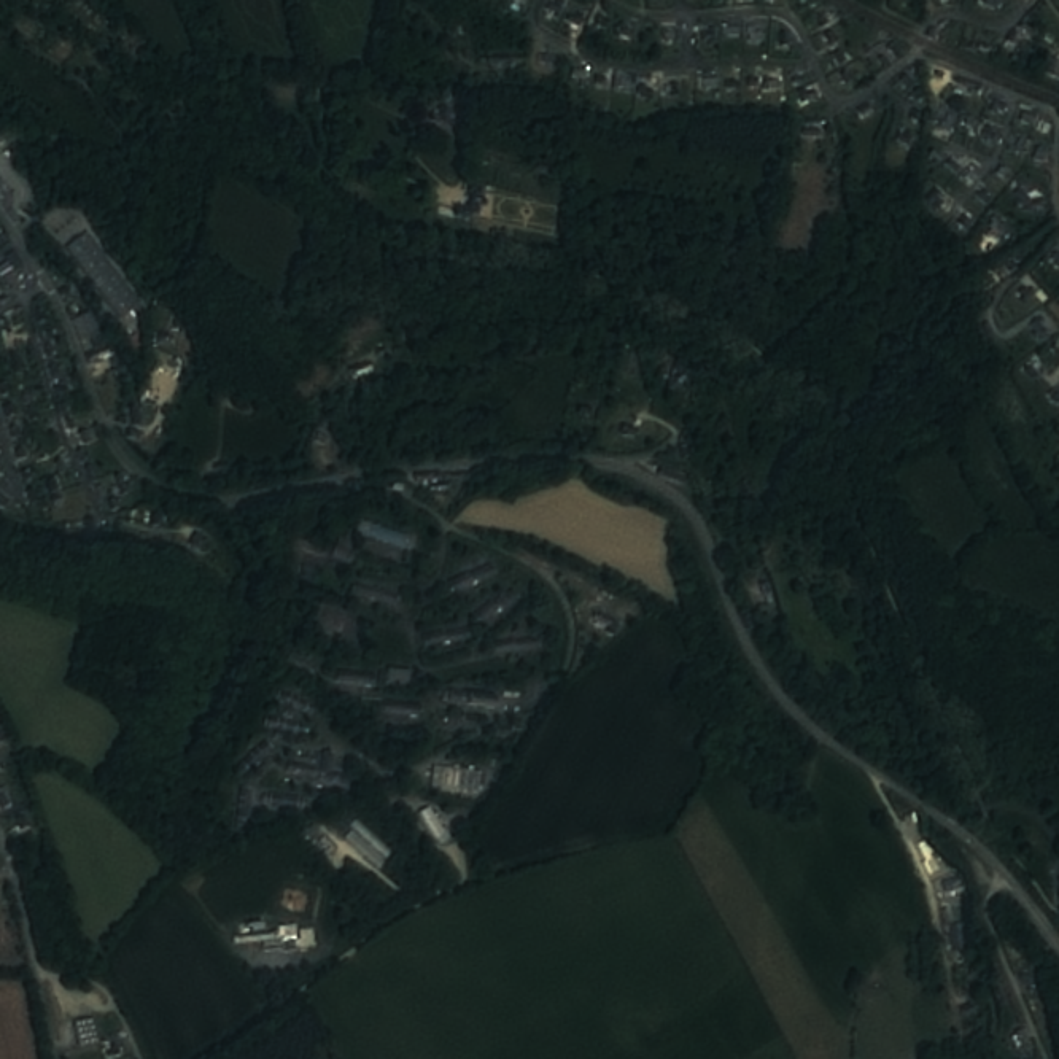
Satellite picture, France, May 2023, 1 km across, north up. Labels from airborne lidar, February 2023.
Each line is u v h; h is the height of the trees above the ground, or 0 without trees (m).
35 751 6
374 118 0
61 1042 0
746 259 27
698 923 0
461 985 0
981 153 0
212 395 11
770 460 0
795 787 12
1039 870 0
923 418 20
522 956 0
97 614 18
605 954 0
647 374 7
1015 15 0
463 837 19
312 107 24
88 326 0
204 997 0
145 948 0
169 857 13
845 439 17
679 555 13
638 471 0
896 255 9
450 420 9
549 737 0
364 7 0
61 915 14
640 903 0
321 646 9
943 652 14
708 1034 0
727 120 25
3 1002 0
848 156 15
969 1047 10
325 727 0
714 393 19
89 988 8
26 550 17
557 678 14
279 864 0
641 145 21
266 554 27
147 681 15
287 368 25
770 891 0
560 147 27
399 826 16
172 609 24
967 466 7
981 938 20
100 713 0
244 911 0
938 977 11
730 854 0
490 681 12
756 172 0
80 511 0
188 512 14
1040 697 15
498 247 20
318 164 12
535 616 8
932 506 0
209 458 0
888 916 0
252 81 21
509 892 0
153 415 0
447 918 0
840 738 16
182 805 21
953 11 0
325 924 0
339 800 17
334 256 22
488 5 6
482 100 24
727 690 20
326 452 0
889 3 6
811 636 0
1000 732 21
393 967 0
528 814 0
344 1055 0
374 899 11
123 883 0
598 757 0
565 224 16
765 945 0
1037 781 9
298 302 21
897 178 9
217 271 22
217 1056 17
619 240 28
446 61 13
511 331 28
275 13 0
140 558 23
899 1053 0
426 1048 0
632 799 0
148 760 22
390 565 8
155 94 8
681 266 30
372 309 17
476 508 0
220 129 12
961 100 12
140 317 13
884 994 0
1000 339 0
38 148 12
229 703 30
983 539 9
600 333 13
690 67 0
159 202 9
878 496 16
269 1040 21
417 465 11
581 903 0
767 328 14
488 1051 0
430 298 32
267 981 15
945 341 19
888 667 12
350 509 20
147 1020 0
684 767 0
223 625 27
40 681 0
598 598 0
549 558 14
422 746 12
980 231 6
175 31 0
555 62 6
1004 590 0
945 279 16
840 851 0
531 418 0
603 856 0
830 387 8
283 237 0
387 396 24
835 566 8
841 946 0
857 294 14
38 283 0
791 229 0
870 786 0
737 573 12
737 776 14
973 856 0
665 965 0
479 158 19
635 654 0
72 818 0
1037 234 9
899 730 14
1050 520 15
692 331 28
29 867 12
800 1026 0
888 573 10
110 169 16
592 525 0
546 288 20
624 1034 0
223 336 22
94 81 14
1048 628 20
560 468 15
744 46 0
